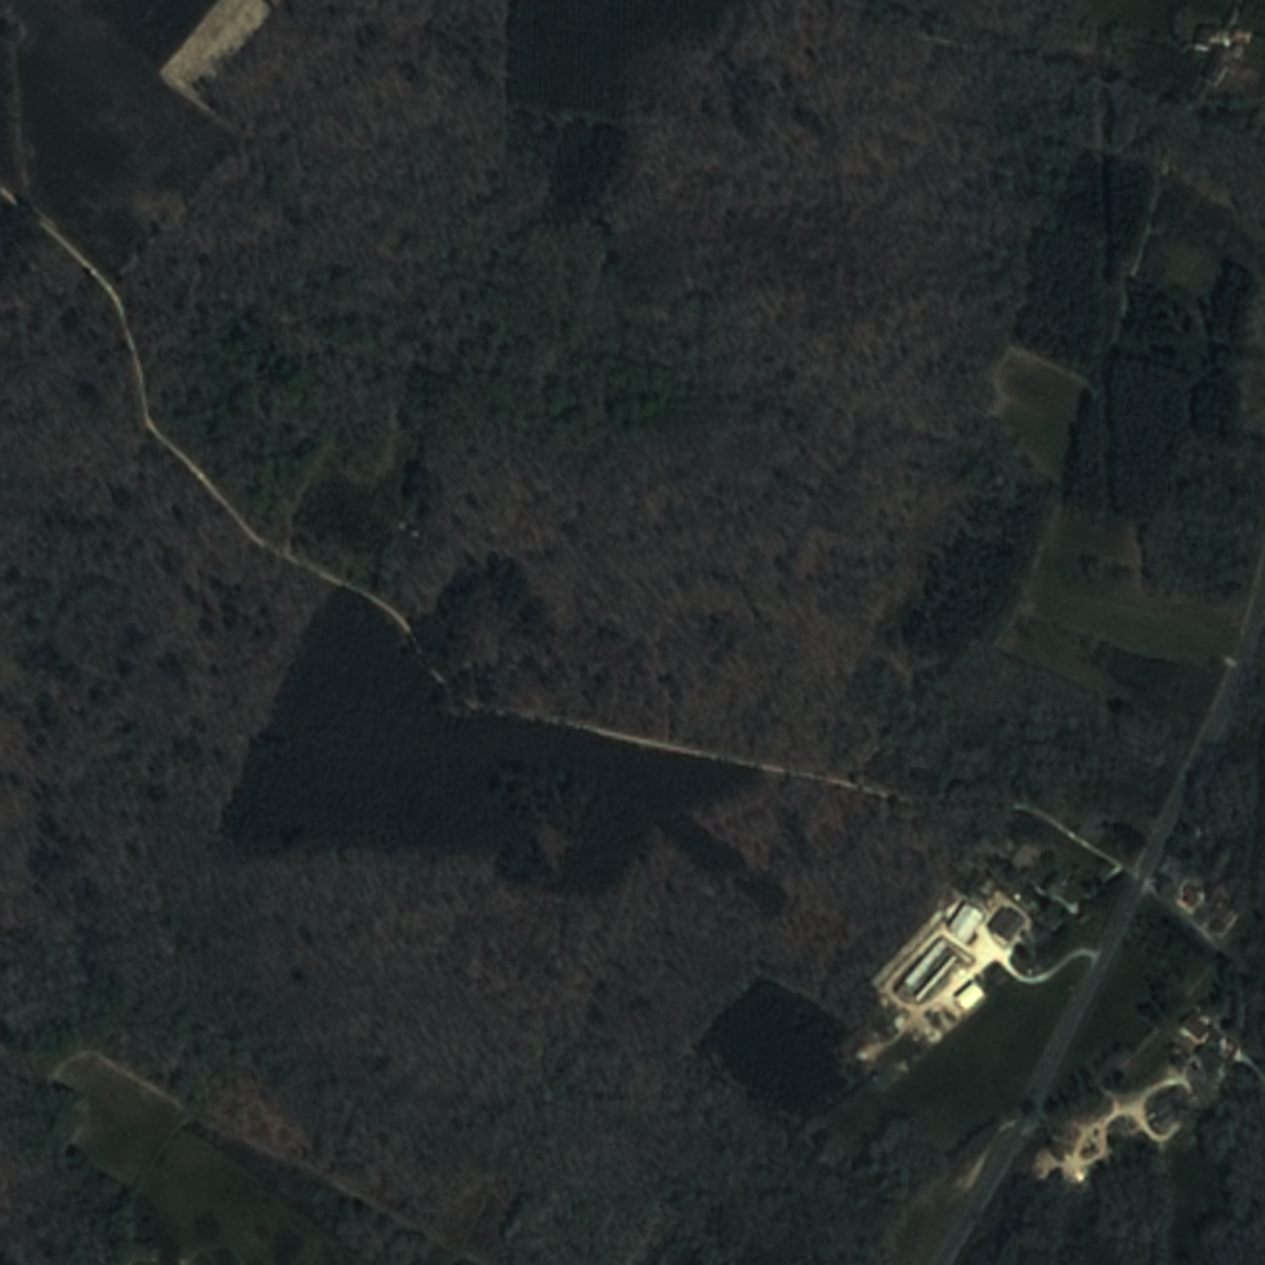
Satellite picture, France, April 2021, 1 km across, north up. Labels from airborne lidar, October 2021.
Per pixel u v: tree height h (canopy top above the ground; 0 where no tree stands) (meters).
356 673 12
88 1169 12
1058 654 0
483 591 10
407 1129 18
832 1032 11
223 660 7
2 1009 17
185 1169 0
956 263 11
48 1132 16
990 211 23
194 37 0
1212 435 16
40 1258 14
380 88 11
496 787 11
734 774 12
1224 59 0
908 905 13
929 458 12
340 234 20
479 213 20
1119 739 16
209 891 20
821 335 17
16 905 12
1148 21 0
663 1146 15
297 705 12
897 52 18
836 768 16
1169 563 20
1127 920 0
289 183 22
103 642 16
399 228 20
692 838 12
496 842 10
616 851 13
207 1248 0
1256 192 23
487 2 15
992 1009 0
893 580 19
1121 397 23
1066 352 19
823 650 18
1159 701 6
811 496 18
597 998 14
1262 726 11
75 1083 0
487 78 18
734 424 15
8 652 18
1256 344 13
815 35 10
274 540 15
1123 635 0
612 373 22
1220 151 26
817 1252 20
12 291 15
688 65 18
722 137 17
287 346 12
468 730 12
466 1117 19
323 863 15
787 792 15
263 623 13
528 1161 19
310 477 23
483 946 15
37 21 0
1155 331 20
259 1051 15
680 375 14
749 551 18
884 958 15
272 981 15
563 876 9
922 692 16
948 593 20
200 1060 18
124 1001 17
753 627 14
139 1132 0
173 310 7
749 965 15
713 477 15
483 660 10
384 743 9
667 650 14
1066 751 9
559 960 9
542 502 16
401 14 13
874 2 13
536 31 10
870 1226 18
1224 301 18
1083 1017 0
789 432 14
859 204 13
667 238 8
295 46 7
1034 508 20
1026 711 18
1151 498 20
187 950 20
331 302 21
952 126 14
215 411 12
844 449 15
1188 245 0
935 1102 0
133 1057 16
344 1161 13
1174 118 22
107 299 15
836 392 20
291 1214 0
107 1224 13
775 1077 12
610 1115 18
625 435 19
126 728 11
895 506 20
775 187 6
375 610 11
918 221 8
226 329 9
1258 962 10
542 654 11
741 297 17
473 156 16
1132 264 16
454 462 15
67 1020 18
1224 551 18
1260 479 12
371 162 13
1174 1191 15
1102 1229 8
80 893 17
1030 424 0
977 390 18
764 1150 18
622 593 14
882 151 18
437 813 12
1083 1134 0
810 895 16
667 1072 21
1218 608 17
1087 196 21
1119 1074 12
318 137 18
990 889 0
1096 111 18
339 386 12
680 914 14
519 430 21
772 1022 11
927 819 14
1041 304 22
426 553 7
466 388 18
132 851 16
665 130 18
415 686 10
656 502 18
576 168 13
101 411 22
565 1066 15
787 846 15
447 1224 7
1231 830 21
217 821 15
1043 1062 0
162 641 17
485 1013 16
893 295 12
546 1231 15
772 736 19
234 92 13
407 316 6
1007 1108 0
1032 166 11
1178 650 0
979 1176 0
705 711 16
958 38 25
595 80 10
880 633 10
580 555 19
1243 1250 21
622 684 7
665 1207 18
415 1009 17
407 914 16
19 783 13
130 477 14
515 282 21
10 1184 15
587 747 11
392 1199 10
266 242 12
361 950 20
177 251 8
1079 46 17
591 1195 15
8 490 13
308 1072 17
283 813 14
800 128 14
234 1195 0
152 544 16
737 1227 11
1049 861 8
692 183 9
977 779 11
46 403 16
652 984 12
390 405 18
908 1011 0
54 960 13
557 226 11
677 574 16
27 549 13
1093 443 20
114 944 15
